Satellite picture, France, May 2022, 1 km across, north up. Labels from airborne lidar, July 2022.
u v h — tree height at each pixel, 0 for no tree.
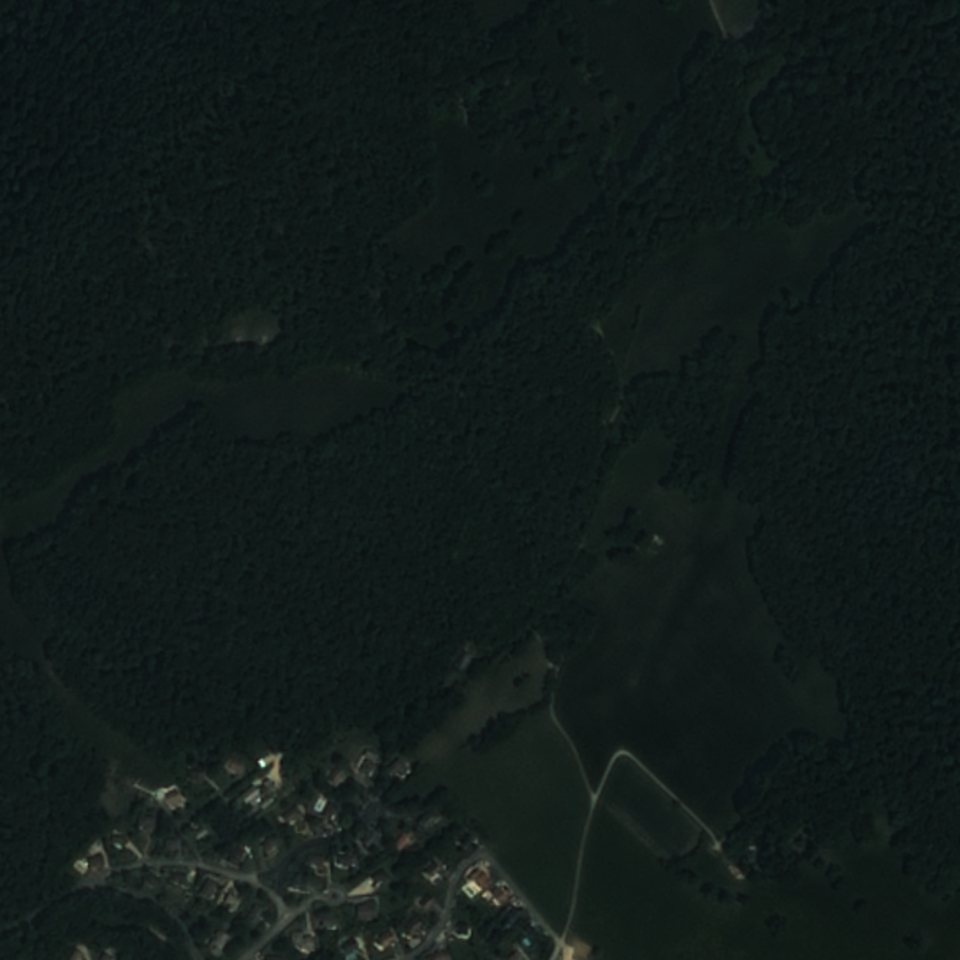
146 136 15
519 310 17
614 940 0
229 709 18
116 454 0
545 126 18
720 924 0
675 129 22
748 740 0
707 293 0
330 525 17
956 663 19
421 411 15
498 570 15
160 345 18
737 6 0
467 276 21
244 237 14
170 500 18
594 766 0
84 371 18
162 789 0
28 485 17
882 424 14
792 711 0
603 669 0
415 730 16
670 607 0
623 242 18
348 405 0
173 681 6
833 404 15
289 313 16
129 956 15
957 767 19
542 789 0
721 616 0
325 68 17
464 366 16
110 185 15
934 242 19
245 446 16
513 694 0
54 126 22
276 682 19
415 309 21
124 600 22
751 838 11
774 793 28
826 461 17
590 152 0
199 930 15
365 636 16
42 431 19
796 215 18
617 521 0
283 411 0
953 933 0
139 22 24
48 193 26
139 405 0
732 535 0
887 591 22
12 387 16
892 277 18
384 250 16
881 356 19
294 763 7
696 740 0
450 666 11
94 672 19
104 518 22
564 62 0
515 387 18
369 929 7
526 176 0
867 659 20
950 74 29
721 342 16
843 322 15
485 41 19
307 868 7
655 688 0
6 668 21
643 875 0
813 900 0
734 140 23
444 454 16
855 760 20
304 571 16
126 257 14
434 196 17
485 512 16
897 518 19
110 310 16
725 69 22
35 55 35
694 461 20
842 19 26
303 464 11
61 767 25
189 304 15
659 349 0
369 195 16
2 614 0
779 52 16
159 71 18
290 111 22
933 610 25
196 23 21
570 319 15
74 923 17
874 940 0
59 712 20
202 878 9
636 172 28
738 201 23
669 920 0
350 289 19
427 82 21
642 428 15
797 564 14
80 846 16
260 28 22
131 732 22
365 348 16
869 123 24
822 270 0
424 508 16
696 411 16
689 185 25
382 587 17
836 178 23
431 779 0
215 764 14
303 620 20
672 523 0
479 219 0
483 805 0
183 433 16
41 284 15
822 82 30
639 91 0
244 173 14
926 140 25
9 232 32
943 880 21
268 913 7
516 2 0
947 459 20
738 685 0
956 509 22
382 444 17
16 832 16
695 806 0
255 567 20
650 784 0
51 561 21
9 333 22
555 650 12
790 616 16
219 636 20
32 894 15
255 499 16
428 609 15
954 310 19
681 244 15
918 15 31
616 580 0
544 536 16
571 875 0
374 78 17
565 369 15
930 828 25
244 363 19
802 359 19
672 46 0
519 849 0
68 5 31
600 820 0
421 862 17
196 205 17
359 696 18
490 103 18
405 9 21
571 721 0
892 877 0
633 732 0
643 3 0
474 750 8
